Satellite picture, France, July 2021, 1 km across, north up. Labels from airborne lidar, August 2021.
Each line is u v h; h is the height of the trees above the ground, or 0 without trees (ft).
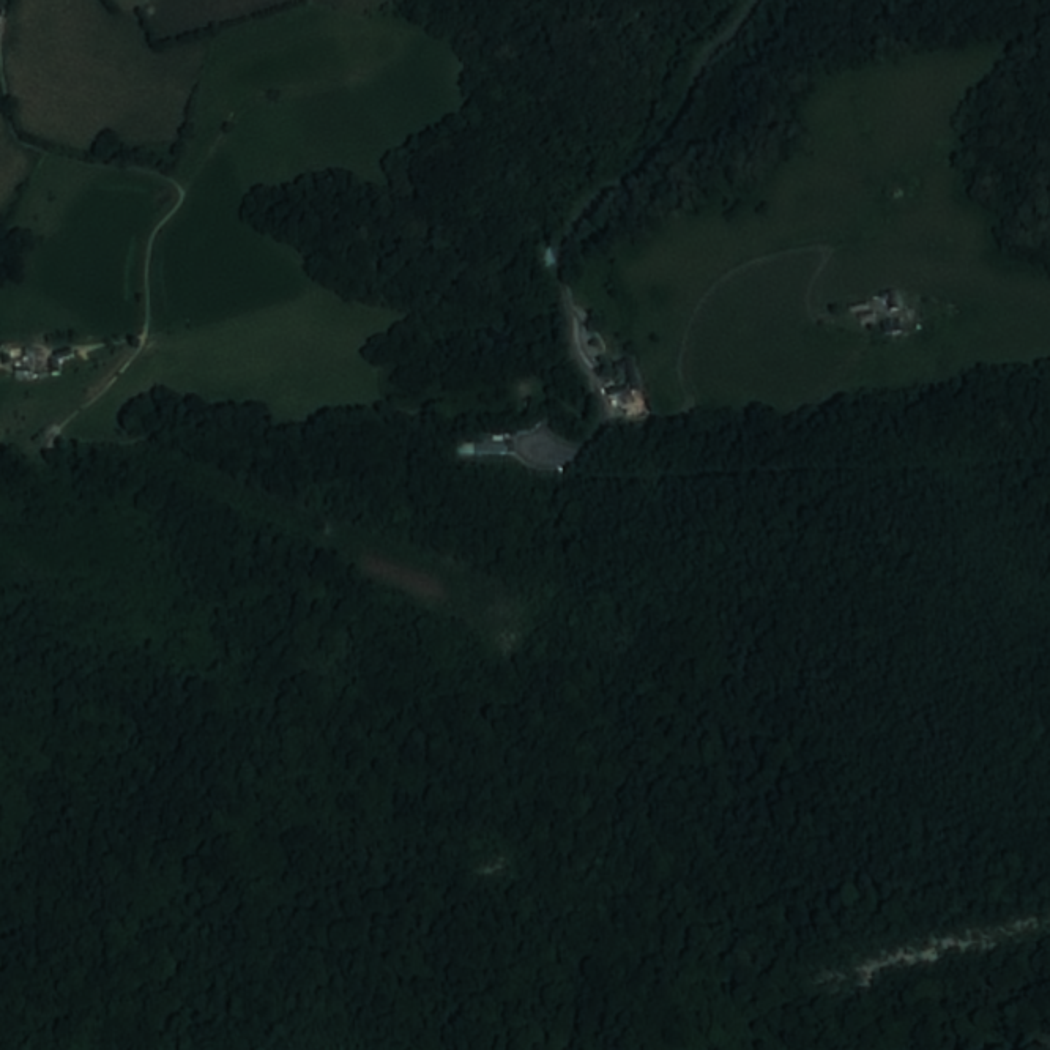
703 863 74
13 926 54
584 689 67
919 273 0
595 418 47
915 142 0
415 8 69
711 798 41
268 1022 51
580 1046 82
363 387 0
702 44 44
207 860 83
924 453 46
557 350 79
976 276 0
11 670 26
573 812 59
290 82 0
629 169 32
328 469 74
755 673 81
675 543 29
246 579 49
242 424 89
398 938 84
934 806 36
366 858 47
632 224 74
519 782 61
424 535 56
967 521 27
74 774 21
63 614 29
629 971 73
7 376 28
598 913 86
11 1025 70
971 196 42
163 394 73
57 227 0
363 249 110
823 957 50
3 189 0
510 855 26
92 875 69
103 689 62
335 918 80
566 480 40
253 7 0
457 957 71
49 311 0
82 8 0
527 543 61
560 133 72
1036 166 75
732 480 31
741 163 66
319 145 0
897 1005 43
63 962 33
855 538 45
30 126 0
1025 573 31
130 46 0
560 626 51
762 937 73
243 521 52
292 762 62
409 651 35
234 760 54
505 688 52
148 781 90
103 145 57
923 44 50
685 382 0
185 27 0
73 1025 94
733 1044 43
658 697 79
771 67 66
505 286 103
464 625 44
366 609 67
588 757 78
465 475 76
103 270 0
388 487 60
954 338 0
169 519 38
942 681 27
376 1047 54
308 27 0
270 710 37
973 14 77
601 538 64
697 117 58
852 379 0
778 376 0
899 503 51
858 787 49
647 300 0
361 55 0
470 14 89
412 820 68
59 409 0
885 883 70
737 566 33
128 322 0
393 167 71
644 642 34
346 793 36
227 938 71
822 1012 90
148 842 71
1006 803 31
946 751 40
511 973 68
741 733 74
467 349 75
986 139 60
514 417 69
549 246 19
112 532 0
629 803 93
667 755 77
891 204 0
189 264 0
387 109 0
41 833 50
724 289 0
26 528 24
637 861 108
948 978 52
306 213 83
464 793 55
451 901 70
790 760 77
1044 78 80
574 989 84
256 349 0
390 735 63
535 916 44
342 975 43
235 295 0
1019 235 61
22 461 33
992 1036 36
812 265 0
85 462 59
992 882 49
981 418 75
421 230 86
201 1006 88
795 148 38
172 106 0
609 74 64
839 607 43
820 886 61
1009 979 104
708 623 38
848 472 41
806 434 85
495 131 92
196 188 0
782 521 46
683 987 112
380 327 0
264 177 0
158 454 26
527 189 103
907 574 49
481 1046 87
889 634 33
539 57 73
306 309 0
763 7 28
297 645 46
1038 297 0
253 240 0
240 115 0
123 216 0
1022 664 28
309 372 0
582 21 77
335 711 78
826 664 53
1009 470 62
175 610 22
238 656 60
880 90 0
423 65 0
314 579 60
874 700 46
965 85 0
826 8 64
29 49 0
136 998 56
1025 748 43
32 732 29
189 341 0
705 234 0
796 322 0
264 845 44
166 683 55
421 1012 34
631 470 47
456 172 69
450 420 44
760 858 68
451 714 69
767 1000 90
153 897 35
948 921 30
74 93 0
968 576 24
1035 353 0
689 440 77
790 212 0
